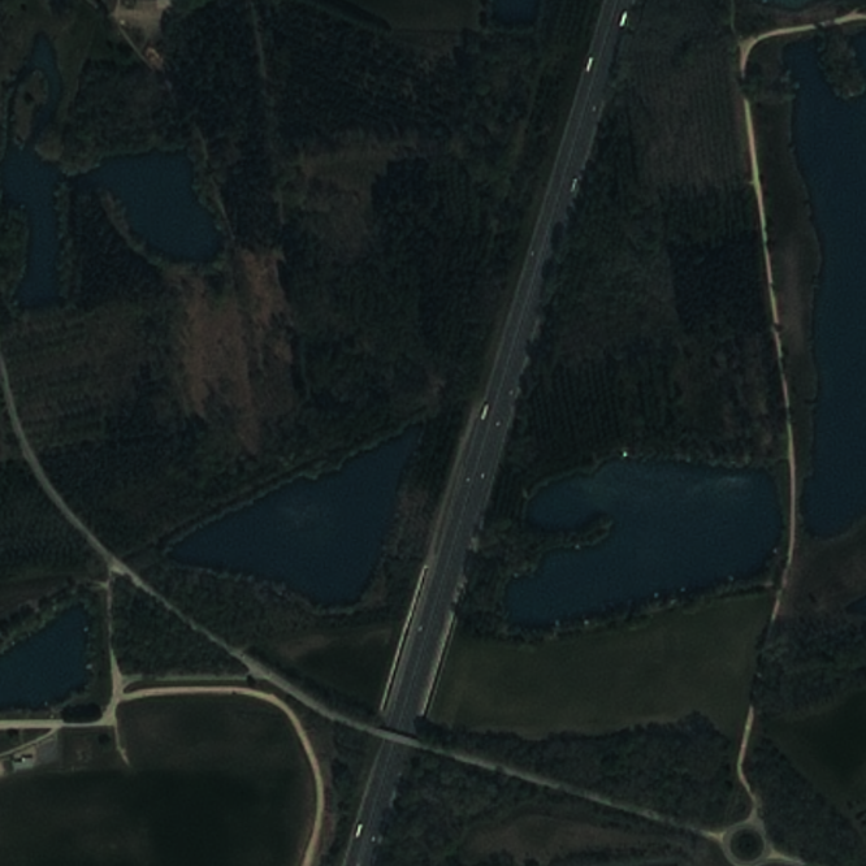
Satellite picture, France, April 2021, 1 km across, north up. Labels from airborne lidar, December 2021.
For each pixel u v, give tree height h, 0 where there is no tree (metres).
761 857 0
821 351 0
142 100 28
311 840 0
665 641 0
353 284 20
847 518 0
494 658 0
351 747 21
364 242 22
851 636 16
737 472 0
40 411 22
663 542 0
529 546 14
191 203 0
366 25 7
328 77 8
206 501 14
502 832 0
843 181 0
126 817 0
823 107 0
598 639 0
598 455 14
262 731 0
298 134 23
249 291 23
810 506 0
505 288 19
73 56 0
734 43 17
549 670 0
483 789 26
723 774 14
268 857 0
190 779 0
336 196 23
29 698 0
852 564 0
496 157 20
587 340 16
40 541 9
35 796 0
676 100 26
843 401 0
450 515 0
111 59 0
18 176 0
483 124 25
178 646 19
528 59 26
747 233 23
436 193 17
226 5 29
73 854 0
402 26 0
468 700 0
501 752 19
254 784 0
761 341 23
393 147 25
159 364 24
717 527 0
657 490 0
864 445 0
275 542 0
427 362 14
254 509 0
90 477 14
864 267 0
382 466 0
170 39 18
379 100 9
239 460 11
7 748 0
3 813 0
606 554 0
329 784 0
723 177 25
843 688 21
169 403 27
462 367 17
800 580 0
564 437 19
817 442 0
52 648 0
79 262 16
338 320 15
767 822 18
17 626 16
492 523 23
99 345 10
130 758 0
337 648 0
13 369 17
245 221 27
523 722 0
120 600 18
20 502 20
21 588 0
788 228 0
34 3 0
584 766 18
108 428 15
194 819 0
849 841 18
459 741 20
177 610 13
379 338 11
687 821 24
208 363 0
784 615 0
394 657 0
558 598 0
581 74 0
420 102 7
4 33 19
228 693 0
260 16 6
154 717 0
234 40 30
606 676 0
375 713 16
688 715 0
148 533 9
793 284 0
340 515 0
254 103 29
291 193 28
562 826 0
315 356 28
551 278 23
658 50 14
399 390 19
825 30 10
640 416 17
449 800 23
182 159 0
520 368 0
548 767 15
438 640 0
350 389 18
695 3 10
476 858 0
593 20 9
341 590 0
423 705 0
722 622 0
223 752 0
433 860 14
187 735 0
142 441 15
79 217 23
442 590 0
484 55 24
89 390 17
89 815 0
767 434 22
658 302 17
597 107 0
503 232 9
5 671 0
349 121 6
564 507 0
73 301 14
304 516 0
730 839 0
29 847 0
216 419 25
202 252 0
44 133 34
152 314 8
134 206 0
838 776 0
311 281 25
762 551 0
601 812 11
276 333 9
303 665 0
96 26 0
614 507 0
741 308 26
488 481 0
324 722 13
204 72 24
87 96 16
